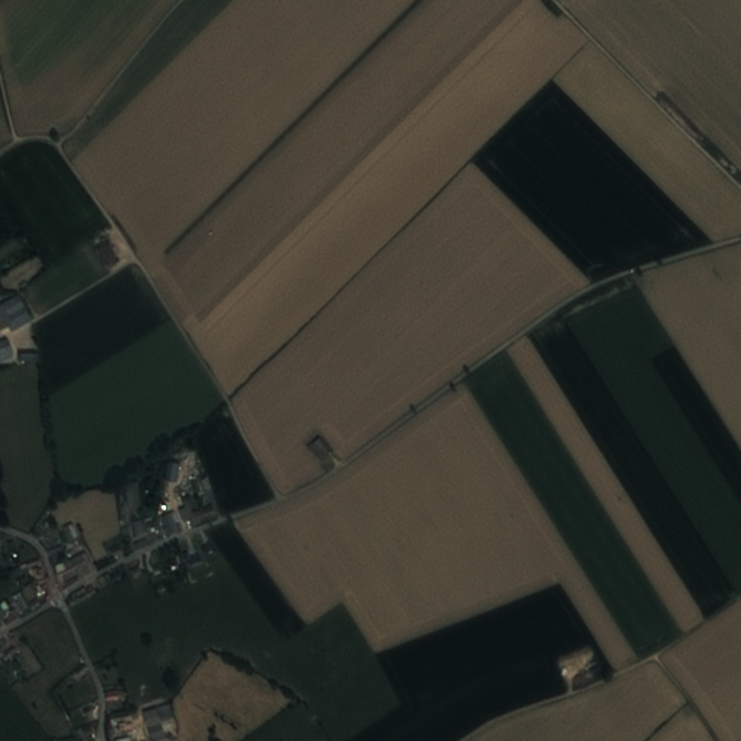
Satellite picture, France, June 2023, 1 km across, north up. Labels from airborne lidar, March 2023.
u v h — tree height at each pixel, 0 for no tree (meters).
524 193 0
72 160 0
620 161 0
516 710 0
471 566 0
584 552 0
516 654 0
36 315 0
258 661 0
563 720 0
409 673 0
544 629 0
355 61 0
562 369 0
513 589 0
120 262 0
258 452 0
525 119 0
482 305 0
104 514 0
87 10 0
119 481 26
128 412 0
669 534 0
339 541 0
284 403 0
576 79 0
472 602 0
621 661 0
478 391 0
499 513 0
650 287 0
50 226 0
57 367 0
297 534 0
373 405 0
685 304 0
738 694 0
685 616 0
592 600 0
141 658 0
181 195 0
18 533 0
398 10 0
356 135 0
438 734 0
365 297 0
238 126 0
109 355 0
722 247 0
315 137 0
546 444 0
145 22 0
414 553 0
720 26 0
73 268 0
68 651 0
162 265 0
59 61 0
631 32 0
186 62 0
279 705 0
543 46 0
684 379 0
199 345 0
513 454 0
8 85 0
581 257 0
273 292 0
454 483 0
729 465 0
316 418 0
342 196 0
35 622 0
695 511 0
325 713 0
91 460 0
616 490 0
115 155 0
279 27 0
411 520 0
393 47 0
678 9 0
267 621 0
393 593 0
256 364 0
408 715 0
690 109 0
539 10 0
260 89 0
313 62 0
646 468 0
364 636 0
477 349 0
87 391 0
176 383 0
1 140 0
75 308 0
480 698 0
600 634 0
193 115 0
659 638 0
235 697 0
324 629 0
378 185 0
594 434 0
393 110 0
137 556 0
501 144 0
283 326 0
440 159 0
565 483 0
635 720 0
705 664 0
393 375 0
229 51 0
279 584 0
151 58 0
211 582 0
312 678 0
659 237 0
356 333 0
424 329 0
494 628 0
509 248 0
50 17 0
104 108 0
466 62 0
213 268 0
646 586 0
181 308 0
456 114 0
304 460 0
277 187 0
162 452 14
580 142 0
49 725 0
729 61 0
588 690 0
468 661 0
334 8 0
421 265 0
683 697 0
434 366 0
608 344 0
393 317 0
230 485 0
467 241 0
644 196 0
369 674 0
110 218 0
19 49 0
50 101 0
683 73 0
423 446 0
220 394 0
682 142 0
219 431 0
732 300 0
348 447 0
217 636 0
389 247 0
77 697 0
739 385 0
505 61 0
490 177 0
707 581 0
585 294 0
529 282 0
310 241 0
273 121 0
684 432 0
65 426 0
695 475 0
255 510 0
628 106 0
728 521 0
